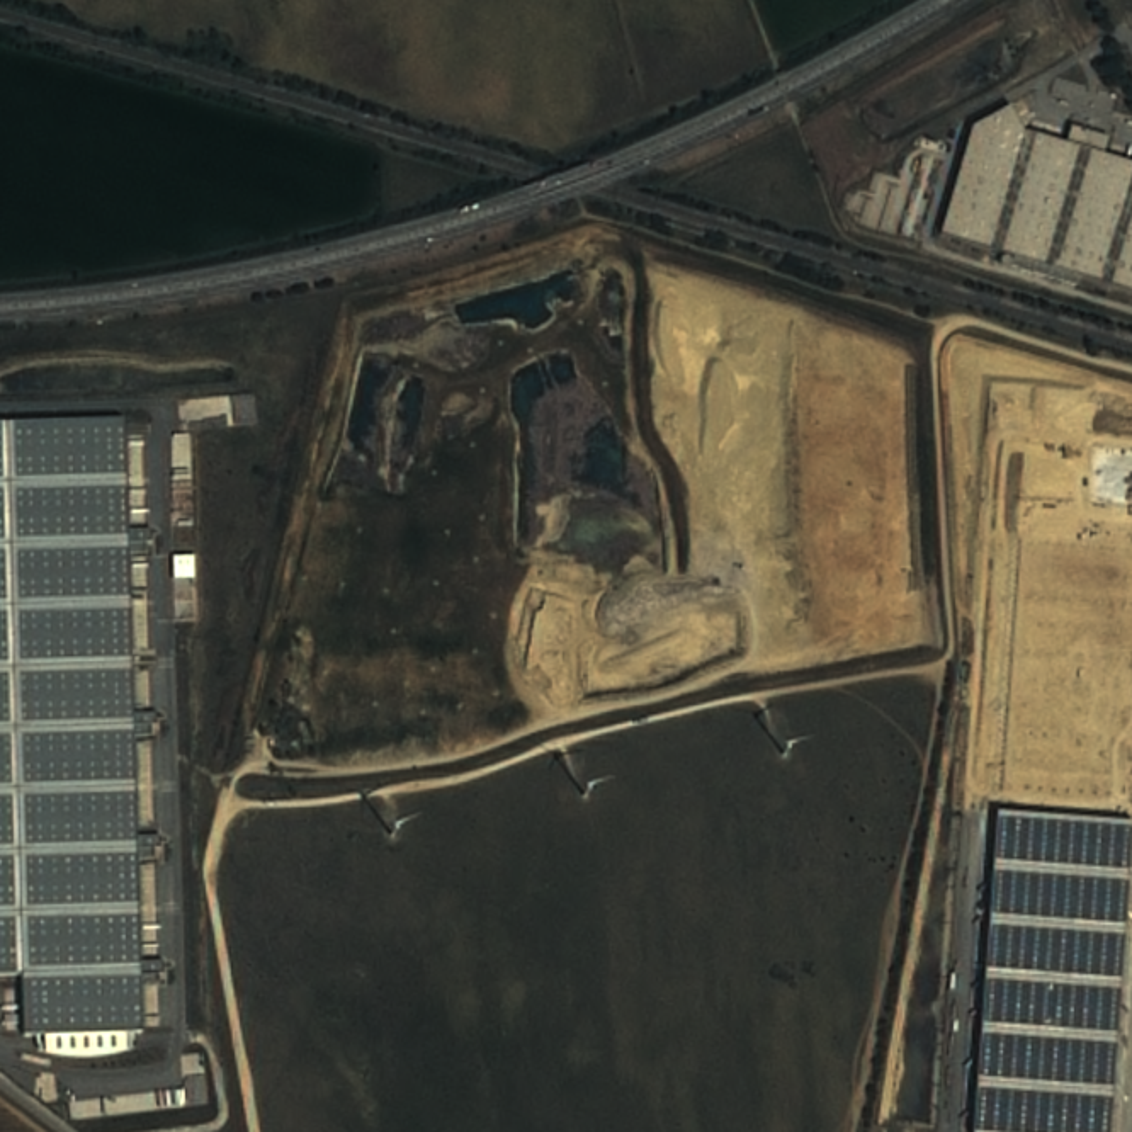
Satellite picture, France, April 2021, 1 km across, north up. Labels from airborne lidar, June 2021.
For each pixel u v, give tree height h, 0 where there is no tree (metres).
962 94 0
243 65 10
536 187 0
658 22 0
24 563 0
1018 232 0
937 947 0
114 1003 0
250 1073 0
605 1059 0
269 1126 0
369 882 0
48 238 0
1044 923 0
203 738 0
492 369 0
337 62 0
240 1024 0
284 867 0
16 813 0
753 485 0
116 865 0
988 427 0
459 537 0
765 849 0
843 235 0
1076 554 0
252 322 0
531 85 0
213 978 0
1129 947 0
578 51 0
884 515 0
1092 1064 0
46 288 0
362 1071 0
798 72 0
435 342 0
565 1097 0
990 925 0
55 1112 0
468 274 0
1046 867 0
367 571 0
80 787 0
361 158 0
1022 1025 0
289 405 0
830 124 0
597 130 0
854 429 0
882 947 0
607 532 0
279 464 0
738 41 0
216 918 0
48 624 0
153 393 0
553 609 0
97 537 0
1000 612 0
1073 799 0
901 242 0
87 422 0
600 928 0
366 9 0
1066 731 0
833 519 0
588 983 0
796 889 0
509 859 0
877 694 0
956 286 0
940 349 0
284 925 0
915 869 7
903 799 0
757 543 0
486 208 0
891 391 0
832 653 0
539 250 0
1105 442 0
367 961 0
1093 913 0
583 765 0
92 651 0
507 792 0
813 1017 0
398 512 0
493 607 0
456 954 0
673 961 0
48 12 9
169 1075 0
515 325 0
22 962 0
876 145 0
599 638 0
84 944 0
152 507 0
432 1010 0
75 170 0
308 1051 0
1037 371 0
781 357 0
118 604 0
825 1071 0
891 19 0
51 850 0
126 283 0
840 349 0
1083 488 0
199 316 0
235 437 0
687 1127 0
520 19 0
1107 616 0
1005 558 0
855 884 0
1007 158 0
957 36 0
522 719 0
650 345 0
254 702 0
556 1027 0
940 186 0
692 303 0
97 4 0
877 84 0
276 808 0
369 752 0
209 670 0
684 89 0
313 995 0
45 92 0
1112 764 0
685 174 0
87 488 0
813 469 0
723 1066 0
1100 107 0
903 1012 0
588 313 0
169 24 0
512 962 0
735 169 0
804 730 0
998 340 0
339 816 0
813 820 0
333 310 0
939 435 0
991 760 0
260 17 0
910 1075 0
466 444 0
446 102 0
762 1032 0
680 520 0
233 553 0
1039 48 0
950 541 0
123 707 0
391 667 0
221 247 0
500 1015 0
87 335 0
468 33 0
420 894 0
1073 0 0
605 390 0
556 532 0
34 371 0
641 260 0
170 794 0
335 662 0
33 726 0
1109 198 0
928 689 0
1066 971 0
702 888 0
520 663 0
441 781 0
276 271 0
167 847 0
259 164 0
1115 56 12
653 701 0
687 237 0
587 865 0
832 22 0
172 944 0
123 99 0
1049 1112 0
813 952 0
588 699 0
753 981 0
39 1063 0
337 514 0
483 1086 0
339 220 0
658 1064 0
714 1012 0
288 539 0
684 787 0
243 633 0
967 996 0
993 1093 0
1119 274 0
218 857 0
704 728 0
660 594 0
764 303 0
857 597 0
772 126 0
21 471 0
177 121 0
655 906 0
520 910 0
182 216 0
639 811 0
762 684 0
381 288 0
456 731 0
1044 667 0
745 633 0
